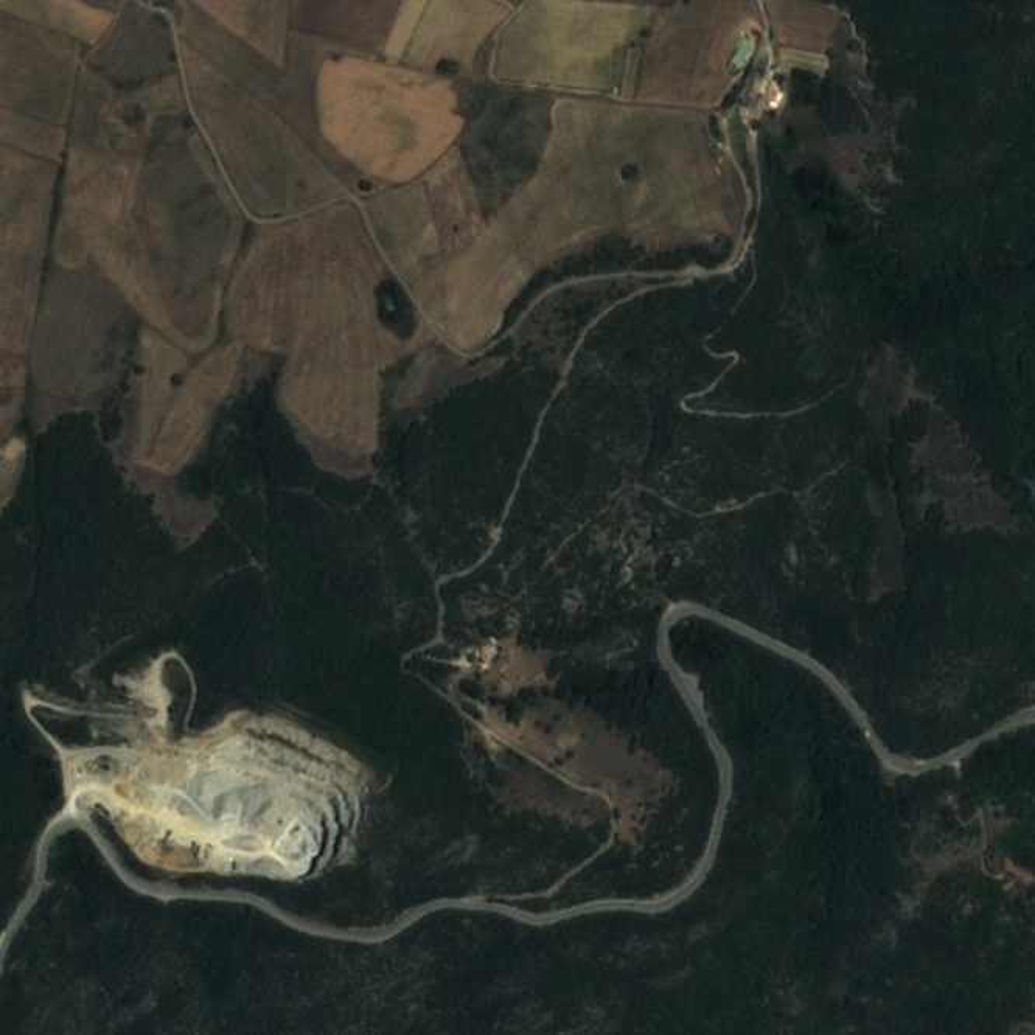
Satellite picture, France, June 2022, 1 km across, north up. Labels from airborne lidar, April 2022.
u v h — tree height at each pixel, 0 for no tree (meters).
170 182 0
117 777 0
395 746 5
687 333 7
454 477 7
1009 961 9
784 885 6
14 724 11
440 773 7
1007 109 6
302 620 6
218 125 0
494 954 8
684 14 0
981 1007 9
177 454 0
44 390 0
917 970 6
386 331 0
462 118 0
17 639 10
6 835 7
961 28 8
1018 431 9
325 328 0
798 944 7
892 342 8
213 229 0
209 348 0
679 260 6
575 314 7
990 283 17
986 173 8
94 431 8
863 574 6
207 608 11
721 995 9
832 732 6
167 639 8
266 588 7
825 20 0
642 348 6
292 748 0
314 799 0
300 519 9
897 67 7
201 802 0
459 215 0
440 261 0
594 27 0
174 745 0
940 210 7
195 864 0
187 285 0
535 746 0
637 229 0
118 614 7
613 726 8
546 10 0
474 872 6
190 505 0
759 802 8
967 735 6
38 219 0
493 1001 8
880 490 0
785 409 6
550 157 0
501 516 6
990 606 6
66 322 0
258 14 0
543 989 6
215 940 7
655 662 10
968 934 7
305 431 0
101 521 6
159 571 6
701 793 6
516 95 0
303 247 0
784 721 6
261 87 0
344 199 0
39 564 9
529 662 0
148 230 0
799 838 13
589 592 6
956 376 11
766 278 8
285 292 0
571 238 0
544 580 7
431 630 6
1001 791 7
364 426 0
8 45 0
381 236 0
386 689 9
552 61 0
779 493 7
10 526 7
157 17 0
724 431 6
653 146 0
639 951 7
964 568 8
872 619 7
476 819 7
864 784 11
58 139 0
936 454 0
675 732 9
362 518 6
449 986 8
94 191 0
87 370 0
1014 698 7
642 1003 6
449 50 0
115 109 0
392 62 0
